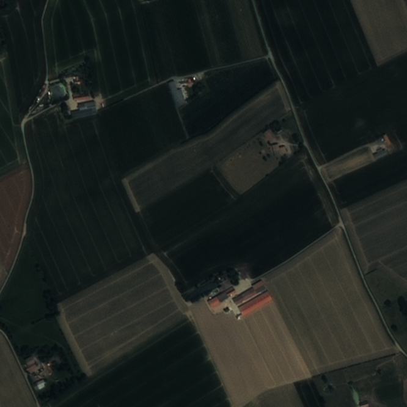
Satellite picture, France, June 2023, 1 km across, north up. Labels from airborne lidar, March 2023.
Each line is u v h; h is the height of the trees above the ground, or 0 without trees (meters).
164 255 0
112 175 0
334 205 0
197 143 0
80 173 0
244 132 0
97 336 0
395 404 0
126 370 0
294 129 0
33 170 0
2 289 0
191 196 0
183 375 0
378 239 0
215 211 0
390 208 0
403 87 0
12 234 0
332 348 0
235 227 0
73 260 0
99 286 0
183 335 0
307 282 0
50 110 0
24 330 0
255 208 0
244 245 0
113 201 0
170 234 0
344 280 0
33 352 6
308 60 0
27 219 0
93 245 0
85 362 0
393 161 0
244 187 0
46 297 16
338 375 0
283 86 0
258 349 0
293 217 0
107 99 0
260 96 0
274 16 0
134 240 0
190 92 0
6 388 0
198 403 0
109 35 0
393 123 0
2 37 7
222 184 0
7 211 0
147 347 0
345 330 0
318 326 0
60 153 0
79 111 0
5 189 0
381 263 0
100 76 0
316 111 0
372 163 0
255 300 0
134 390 0
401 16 0
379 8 0
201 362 0
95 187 0
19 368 0
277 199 0
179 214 0
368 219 0
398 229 0
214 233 0
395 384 0
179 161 0
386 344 0
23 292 0
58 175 0
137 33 0
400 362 0
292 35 0
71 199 0
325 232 0
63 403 0
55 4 0
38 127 0
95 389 0
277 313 0
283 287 0
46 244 0
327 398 0
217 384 0
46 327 0
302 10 0
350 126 0
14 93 0
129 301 0
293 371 0
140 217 0
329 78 0
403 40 0
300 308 0
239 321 0
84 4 0
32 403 0
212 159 0
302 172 0
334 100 0
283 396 0
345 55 0
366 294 0
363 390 0
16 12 0
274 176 0
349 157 0
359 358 0
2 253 0
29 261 0
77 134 0
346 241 0
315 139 0
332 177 0
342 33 0
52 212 0
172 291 0
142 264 0
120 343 0
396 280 0
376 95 0
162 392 0
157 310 0
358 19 0
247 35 0
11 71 0
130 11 0
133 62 0
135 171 0
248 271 0
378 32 0
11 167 0
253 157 0
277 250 0
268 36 0
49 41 0
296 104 0
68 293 0
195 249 0
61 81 10
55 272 0
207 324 0
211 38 0
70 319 0
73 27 0
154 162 0
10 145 0
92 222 0
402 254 0
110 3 0
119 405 0
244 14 0
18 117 0
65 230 0
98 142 0
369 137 0
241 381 0
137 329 0
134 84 0
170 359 0
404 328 0
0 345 0
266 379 0
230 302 0
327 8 0
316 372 0
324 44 0
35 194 0
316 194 0
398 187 0
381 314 0
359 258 0
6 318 0
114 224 0
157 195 0
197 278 0
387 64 0
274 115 0
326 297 0
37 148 0
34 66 0
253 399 0
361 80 0
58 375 0
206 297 0
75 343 0
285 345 0
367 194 0
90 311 0
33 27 0
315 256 0
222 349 0
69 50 0
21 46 0
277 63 0
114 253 0
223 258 0
